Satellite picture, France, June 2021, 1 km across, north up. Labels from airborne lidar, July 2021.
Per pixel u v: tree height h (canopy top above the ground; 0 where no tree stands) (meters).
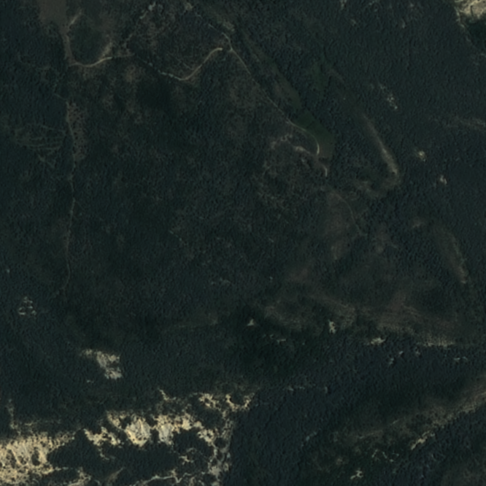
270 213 9
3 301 8
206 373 8
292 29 8
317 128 0
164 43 8
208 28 9
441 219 7
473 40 14
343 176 10
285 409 14
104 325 6
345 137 9
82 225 8
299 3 8
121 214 8
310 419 7
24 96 9
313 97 10
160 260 6
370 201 10
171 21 6
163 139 9
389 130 9
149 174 8
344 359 16
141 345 14
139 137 7
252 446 8
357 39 6
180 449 11
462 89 7
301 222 9
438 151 9
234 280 7
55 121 11
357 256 12
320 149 0
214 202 10
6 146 7
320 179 8
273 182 6
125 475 7
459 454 7
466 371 10
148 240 9
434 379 10
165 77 8
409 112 8
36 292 8
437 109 7
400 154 9
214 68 7
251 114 6
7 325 6
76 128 7
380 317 0
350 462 8
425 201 11
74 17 0
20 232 7
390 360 17
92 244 7
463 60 10
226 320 10
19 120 7
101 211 8
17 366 8
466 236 10
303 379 16
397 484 15
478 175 16
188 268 8
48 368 10
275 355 12
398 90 7
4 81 7
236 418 7
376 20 10
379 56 6
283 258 7
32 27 7
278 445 10
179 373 8
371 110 9
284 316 0
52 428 5
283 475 11
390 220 10
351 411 7
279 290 6
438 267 13
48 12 0
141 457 10
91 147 7
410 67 9
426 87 10
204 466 6
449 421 10
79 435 7
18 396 6
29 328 7
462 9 0
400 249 8
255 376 6
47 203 8
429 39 6
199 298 8
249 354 13
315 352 11
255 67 8
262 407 14
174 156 9
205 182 9
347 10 7
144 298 6
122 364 6
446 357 14
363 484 7
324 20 9
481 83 10
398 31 6
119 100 8
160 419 0
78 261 5
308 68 9
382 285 6
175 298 10
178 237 6
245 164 7
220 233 11
